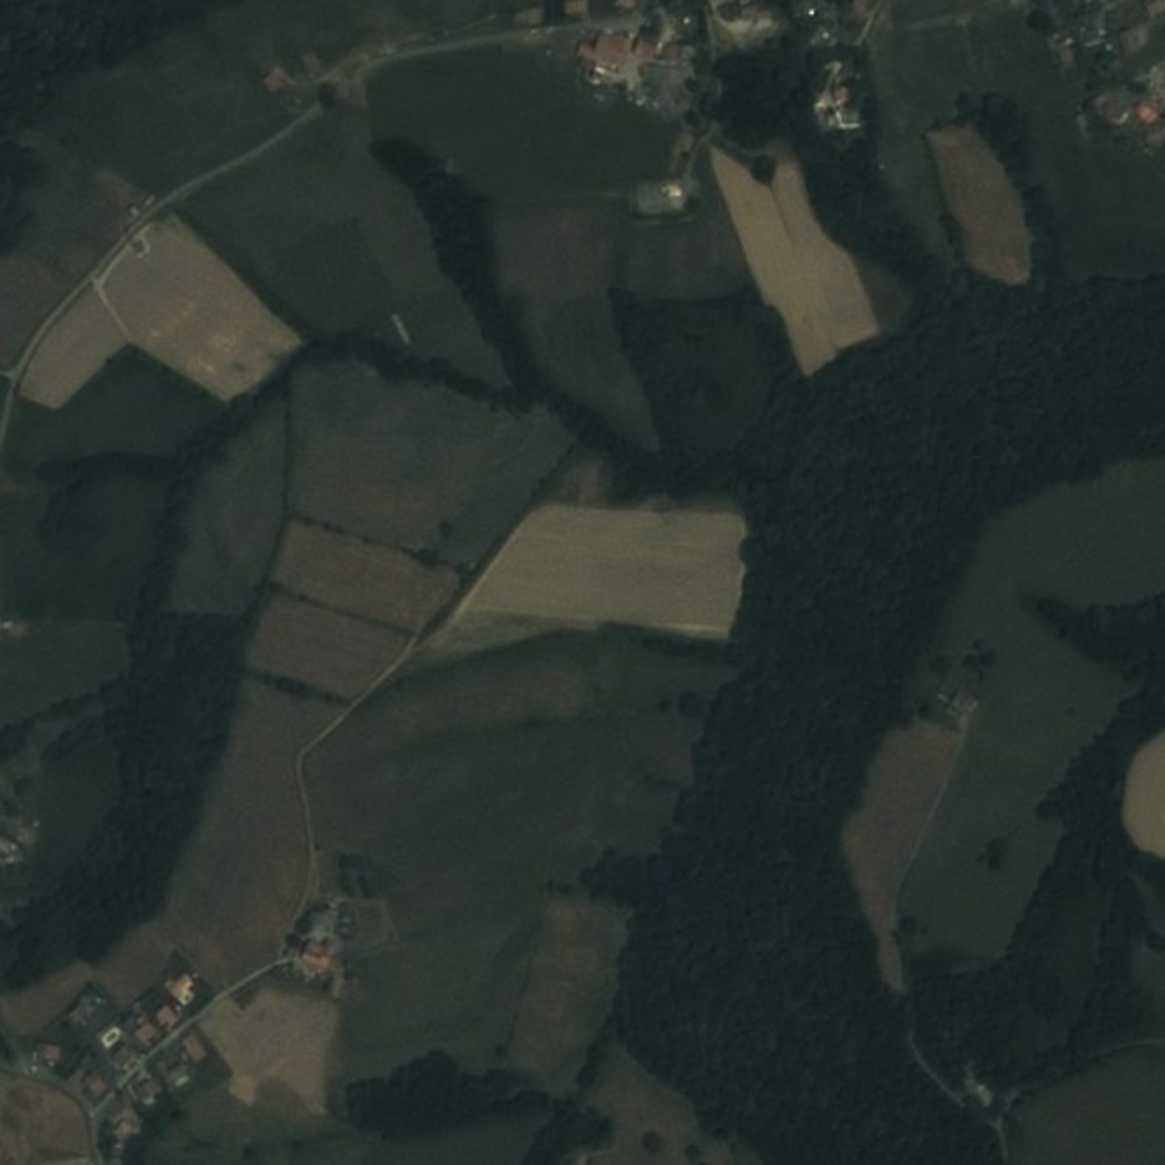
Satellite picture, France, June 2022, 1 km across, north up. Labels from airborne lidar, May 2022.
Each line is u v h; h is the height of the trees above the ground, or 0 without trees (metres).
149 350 0
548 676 0
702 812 22
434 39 0
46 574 0
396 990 0
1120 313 22
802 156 10
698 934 18
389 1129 24
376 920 0
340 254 0
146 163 0
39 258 0
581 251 0
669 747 0
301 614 0
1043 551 0
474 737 0
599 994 0
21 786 8
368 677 0
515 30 0
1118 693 0
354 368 0
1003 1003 18
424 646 0
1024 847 0
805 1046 16
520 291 0
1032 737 0
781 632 25
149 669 15
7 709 0
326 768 0
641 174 0
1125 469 0
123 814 14
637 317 16
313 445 0
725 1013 9
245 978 0
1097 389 18
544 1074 0
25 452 0
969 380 22
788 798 20
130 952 0
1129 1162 0
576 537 0
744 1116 15
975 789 0
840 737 23
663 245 0
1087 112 8
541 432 0
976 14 0
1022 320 25
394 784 0
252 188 0
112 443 0
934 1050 7
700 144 0
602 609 0
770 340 7
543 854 0
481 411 0
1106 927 10
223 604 0
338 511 0
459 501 0
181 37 0
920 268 14
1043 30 17
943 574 8
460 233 24
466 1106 24
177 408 0
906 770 0
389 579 0
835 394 22
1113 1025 17
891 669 21
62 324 0
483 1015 0
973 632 0
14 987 6
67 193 0
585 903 0
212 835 0
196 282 0
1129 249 0
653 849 0
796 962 11
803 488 19
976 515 16
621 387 0
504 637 0
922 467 17
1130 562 0
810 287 0
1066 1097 0
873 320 0
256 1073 0
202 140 0
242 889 0
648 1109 0
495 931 0
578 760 0
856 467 19
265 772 0
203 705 12
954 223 11
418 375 9
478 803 0
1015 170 16
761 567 16
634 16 0
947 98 0
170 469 11
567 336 0
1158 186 0
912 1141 19
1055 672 0
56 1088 0
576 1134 18
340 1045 0
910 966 0
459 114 0
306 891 0
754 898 18
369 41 0
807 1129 21
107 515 0
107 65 14
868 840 0
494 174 0
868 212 17
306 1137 0
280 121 0
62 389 0
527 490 0
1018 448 20
